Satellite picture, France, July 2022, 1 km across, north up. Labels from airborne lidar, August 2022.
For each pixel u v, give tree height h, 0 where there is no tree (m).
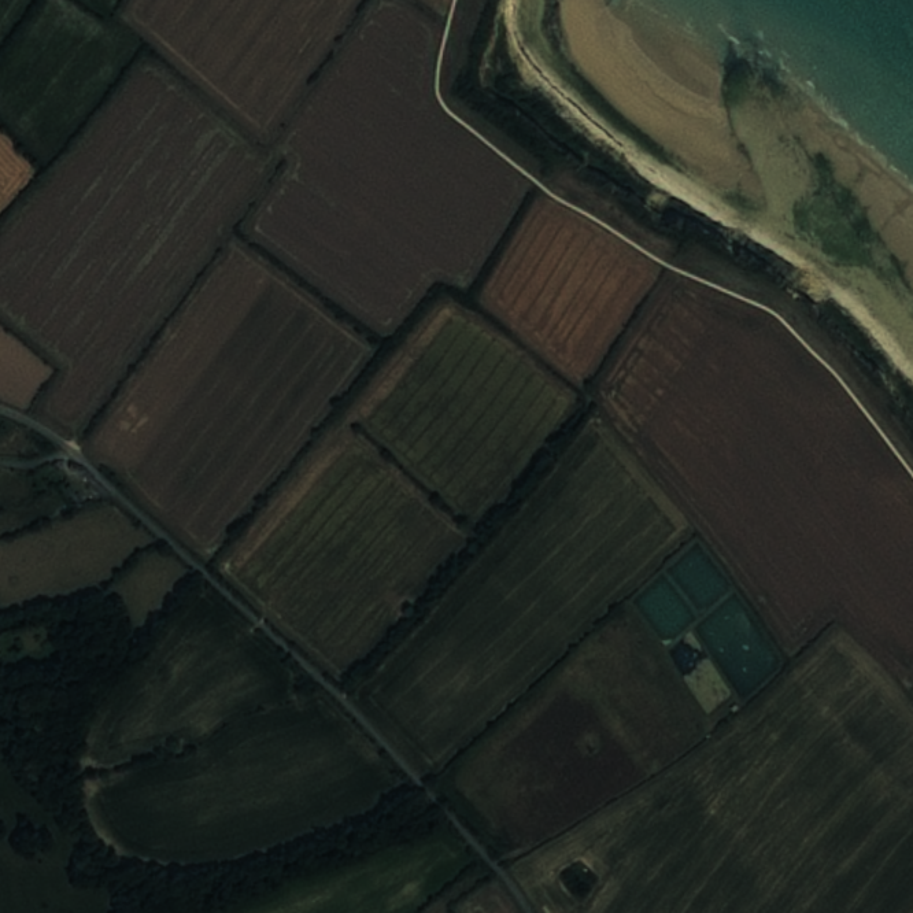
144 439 0
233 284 0
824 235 0
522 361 0
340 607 0
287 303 0
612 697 0
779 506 0
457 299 6
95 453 0
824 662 0
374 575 0
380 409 0
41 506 0
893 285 0
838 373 0
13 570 0
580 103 0
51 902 0
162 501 0
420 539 0
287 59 0
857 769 0
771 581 0
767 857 0
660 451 0
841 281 0
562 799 0
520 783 0
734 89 0
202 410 0
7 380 0
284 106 0
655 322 0
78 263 0
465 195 0
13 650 8
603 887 0
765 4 0
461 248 0
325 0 0
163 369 0
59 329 0
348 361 0
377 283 0
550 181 0
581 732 0
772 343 0
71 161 0
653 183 0
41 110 0
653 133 0
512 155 0
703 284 0
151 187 0
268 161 0
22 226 0
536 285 0
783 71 0
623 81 0
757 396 0
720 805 0
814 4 0
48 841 20
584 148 8
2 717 9
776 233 0
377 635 0
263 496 7
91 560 0
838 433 0
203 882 21
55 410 0
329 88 0
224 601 6
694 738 0
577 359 0
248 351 0
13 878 0
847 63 0
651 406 0
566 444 14
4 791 0
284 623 0
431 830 15
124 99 0
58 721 21
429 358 0
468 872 7
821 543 0
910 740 0
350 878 0
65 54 0
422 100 0
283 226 0
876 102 0
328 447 0
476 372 0
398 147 0
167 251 0
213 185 0
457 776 0
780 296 0
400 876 0
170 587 0
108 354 0
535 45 0
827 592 0
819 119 0
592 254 0
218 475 0
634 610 0
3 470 0
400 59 0
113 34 0
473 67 6
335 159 0
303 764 0
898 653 0
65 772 20
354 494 0
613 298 0
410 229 0
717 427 0
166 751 11
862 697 0
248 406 0
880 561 0
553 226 0
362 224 0
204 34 0
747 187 0
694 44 0
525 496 13
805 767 0
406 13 0
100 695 20
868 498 0
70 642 25
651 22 0
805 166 0
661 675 0
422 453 0
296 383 0
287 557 0
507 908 0
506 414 0
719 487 0
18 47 0
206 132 0
